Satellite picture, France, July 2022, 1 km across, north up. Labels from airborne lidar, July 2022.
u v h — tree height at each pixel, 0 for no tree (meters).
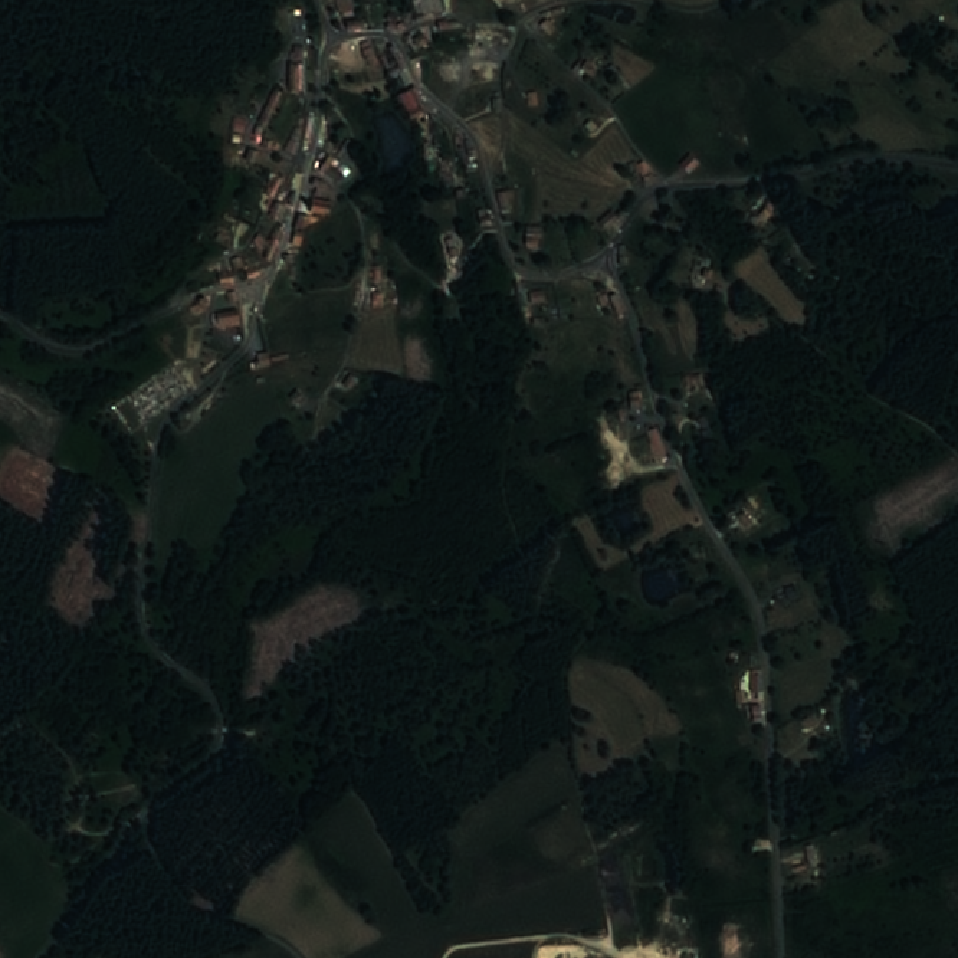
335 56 0
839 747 16
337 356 0
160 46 20
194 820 18
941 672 7
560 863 0
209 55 21
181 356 0
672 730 0
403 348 0
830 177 8
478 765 17
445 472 7
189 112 0
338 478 17
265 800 23
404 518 7
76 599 0
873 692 16
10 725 14
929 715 15
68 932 32
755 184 18
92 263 30
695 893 8
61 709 8
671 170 0
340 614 0
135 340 17
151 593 15
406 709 18
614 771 14
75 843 12
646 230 8
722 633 0
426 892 17
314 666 9
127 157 21
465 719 6
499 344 7
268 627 0
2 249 19
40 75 9
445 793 14
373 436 21
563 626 18
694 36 0
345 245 0
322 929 0
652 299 6
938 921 0
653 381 14
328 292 0
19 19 28
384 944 0
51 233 30
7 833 0
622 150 0
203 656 16
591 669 0
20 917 0
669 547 14
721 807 0
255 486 17
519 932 0
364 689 7
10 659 22
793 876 7
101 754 16
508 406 15
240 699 14
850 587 28
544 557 24
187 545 12
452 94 0
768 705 0
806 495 9
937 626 17
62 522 25
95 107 20
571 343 0
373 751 16
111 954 29
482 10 0
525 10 0
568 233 11
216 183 9
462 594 6
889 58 0
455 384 12
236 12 22
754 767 9
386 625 18
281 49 8
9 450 0
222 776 19
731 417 26
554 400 0
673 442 17
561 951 0
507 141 0
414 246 14
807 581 10
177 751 16
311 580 17
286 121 0
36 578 24
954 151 8
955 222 28
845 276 5
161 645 13
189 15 17
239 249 0
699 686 0
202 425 0
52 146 14
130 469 19
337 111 0
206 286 8
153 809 10
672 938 0
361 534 6
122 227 24
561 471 0
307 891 0
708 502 0
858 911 0
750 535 0
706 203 9
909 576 19
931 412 18
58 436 0
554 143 0
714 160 0
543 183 0
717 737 0
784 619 0
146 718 15
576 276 0
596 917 0
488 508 6
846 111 21
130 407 0
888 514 0
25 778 18
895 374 24
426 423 32
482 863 0
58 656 27
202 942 27
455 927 0
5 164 9
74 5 20
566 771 0
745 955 0
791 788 7
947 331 25
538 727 11
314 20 11
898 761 16
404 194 18
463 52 0
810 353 10
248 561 6
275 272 0
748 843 7
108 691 15
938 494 0
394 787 12
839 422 7
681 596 0
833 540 25
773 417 7
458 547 7
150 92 28
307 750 11
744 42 0
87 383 13
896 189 19
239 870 16
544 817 0
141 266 13
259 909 0
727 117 0
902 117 0
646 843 0
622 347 0
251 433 0
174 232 12
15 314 31
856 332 7
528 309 0
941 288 13
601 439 0
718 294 12
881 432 9
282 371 0
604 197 0
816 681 0
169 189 18
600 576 16
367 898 0
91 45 32
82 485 29
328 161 0
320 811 18
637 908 0
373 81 0
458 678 10
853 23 0
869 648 15
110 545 27
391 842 13
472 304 10
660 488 0
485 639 13
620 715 0
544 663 10
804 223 32
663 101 0
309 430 0
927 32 16
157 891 29
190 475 0
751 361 10
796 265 9
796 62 0
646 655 9
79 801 19
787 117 0
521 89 0
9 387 0
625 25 0
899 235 22
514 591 28
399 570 8
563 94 17
